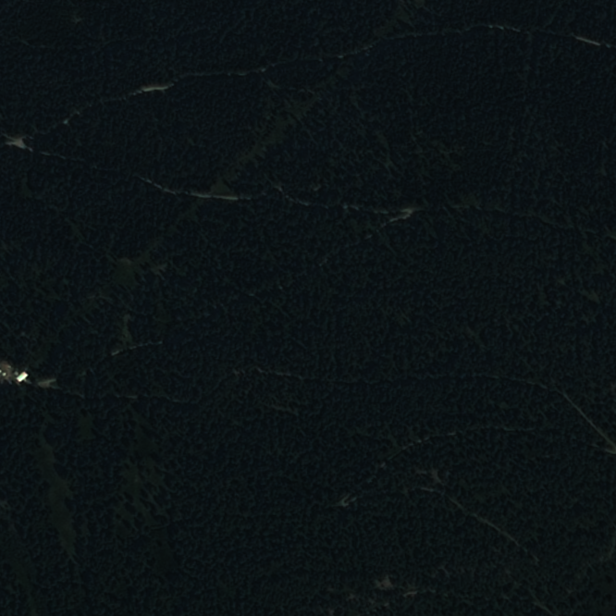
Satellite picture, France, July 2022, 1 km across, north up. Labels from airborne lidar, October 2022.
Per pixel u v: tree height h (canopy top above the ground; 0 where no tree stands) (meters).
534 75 15
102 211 16
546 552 20
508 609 22
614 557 15
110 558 29
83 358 22
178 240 13
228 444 22
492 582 20
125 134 25
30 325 23
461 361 23
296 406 15
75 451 23
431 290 18
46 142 20
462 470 21
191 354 22
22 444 20
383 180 22
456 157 9
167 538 6
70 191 16
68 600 25
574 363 23
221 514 17
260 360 14
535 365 24
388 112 21
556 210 23
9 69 21
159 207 21
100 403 28
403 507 21
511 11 15
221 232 26
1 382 0
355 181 24
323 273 25
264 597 19
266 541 15
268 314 30
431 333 23
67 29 11
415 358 21
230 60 16
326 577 9
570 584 16
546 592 23
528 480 23
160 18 33
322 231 29
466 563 19
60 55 12
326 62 11
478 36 15
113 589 22
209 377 22
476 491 21
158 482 0
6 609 22
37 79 22
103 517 18
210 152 28
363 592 14
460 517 20
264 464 24
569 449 22
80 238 6
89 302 23
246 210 13
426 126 7
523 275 27
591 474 23
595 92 15
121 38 9
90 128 22
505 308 24
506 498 17
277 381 13
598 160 15
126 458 24
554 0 11
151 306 23
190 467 23
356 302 23
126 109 16
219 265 26
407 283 26
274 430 22
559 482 26
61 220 14
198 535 25
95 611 22
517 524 20
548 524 20
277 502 14
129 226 25
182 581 25
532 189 28
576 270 22
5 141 20
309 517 20
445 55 16
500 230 26
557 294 23
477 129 12
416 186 12
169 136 30
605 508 22
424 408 24
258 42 26
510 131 25
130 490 0
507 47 13
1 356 21
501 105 18
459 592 23
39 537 8
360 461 6
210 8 15
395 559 17
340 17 11
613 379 19
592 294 17
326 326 24
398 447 18
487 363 27
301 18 16
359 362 17
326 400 20
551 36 21
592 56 14
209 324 26
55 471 0
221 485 12
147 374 25
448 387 24
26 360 19
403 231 8
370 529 16
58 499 0
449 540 20
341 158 28
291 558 15
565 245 23
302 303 28
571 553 20
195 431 25
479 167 13
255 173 26
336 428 24
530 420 15
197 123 25
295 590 14
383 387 25
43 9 10
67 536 0
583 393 12
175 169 25
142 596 17
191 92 18
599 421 13
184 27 19
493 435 19
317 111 11
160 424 28
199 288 17
